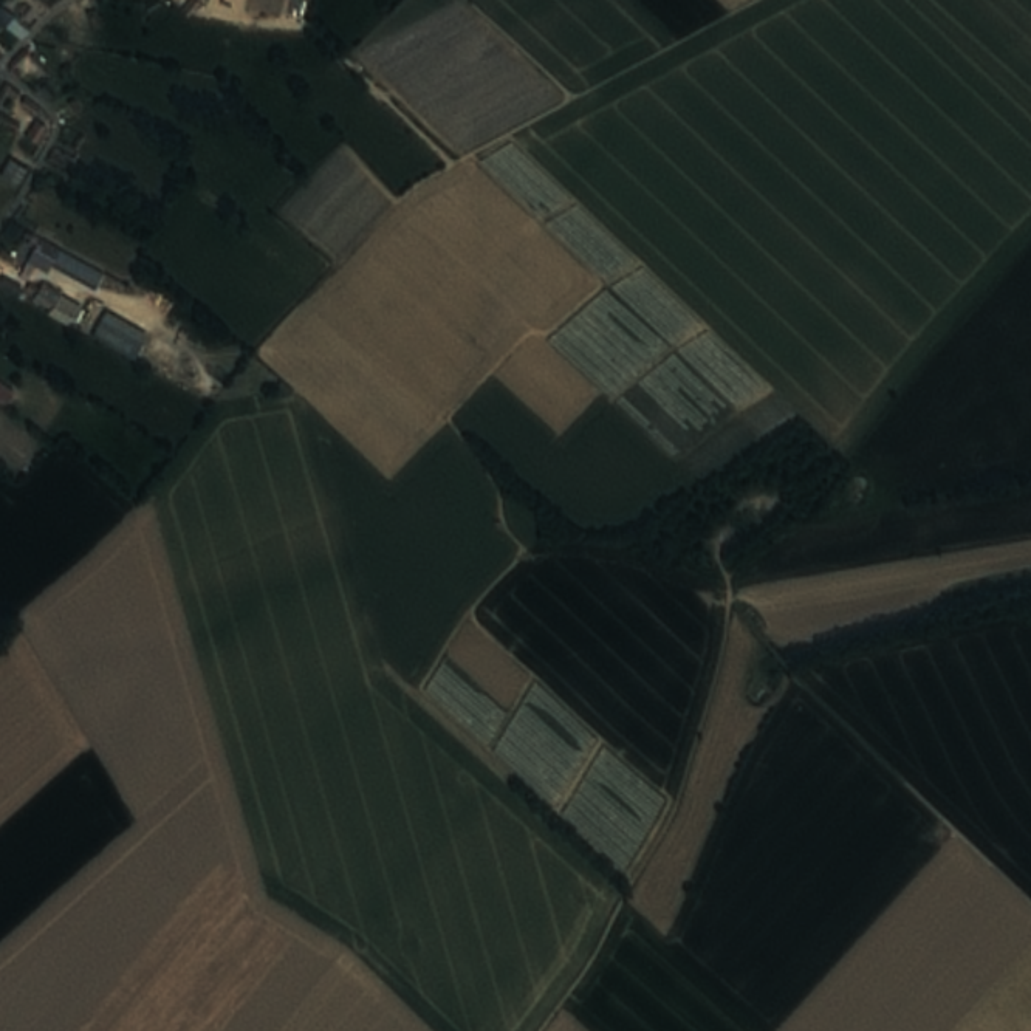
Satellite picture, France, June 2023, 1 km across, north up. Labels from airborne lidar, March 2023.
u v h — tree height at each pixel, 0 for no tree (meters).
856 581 0
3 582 0
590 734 0
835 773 0
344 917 0
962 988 0
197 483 0
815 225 0
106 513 0
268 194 0
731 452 0
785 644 0
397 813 0
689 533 11
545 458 0
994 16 0
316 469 0
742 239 0
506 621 0
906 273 0
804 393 0
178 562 0
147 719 0
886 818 0
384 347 0
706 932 0
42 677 0
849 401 0
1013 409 0
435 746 0
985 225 0
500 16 0
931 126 0
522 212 0
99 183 24
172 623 0
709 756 0
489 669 0
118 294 0
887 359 0
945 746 0
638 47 0
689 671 0
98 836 0
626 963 0
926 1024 0
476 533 0
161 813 0
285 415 0
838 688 0
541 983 0
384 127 0
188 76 0
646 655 0
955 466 0
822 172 0
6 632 24
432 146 0
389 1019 0
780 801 0
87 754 0
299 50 0
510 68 0
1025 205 0
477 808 0
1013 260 0
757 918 0
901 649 0
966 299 0
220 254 0
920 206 0
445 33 0
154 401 0
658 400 0
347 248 0
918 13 0
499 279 0
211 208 0
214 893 0
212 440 0
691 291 0
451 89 0
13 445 0
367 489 0
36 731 0
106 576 0
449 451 0
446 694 0
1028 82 0
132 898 0
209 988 0
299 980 0
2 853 0
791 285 0
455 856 0
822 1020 0
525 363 0
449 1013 0
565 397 0
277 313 0
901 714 0
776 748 0
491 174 0
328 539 0
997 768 0
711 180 0
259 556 0
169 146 31
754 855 0
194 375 0
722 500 14
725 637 0
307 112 0
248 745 0
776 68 0
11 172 0
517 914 0
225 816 0
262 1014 0
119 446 0
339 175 0
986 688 0
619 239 0
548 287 0
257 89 0
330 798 0
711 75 0
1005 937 0
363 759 0
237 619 0
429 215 0
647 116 0
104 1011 0
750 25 0
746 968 0
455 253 0
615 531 17
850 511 0
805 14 0
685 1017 0
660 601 0
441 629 0
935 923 0
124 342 0
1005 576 0
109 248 0
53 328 0
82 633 0
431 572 0
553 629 0
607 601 0
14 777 0
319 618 0
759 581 0
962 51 0
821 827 0
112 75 0
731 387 0
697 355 0
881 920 0
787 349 0
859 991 0
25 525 0
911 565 0
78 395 15
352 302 0
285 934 0
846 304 0
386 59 0
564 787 0
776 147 0
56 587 0
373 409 0
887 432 0
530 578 0
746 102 0
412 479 0
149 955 0
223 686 0
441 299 0
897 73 0
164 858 0
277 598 0
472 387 0
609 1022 0
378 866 0
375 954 0
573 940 0
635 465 0
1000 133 0
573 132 0
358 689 0
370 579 0
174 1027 0
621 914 0
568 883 0
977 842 0
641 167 0
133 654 0
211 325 21
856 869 0
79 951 0
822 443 11
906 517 0
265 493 0
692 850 0
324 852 0
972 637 0
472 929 0
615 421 0
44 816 0
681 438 0
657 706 0
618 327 0
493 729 0
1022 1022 0
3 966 0
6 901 0
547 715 0
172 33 0
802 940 0
